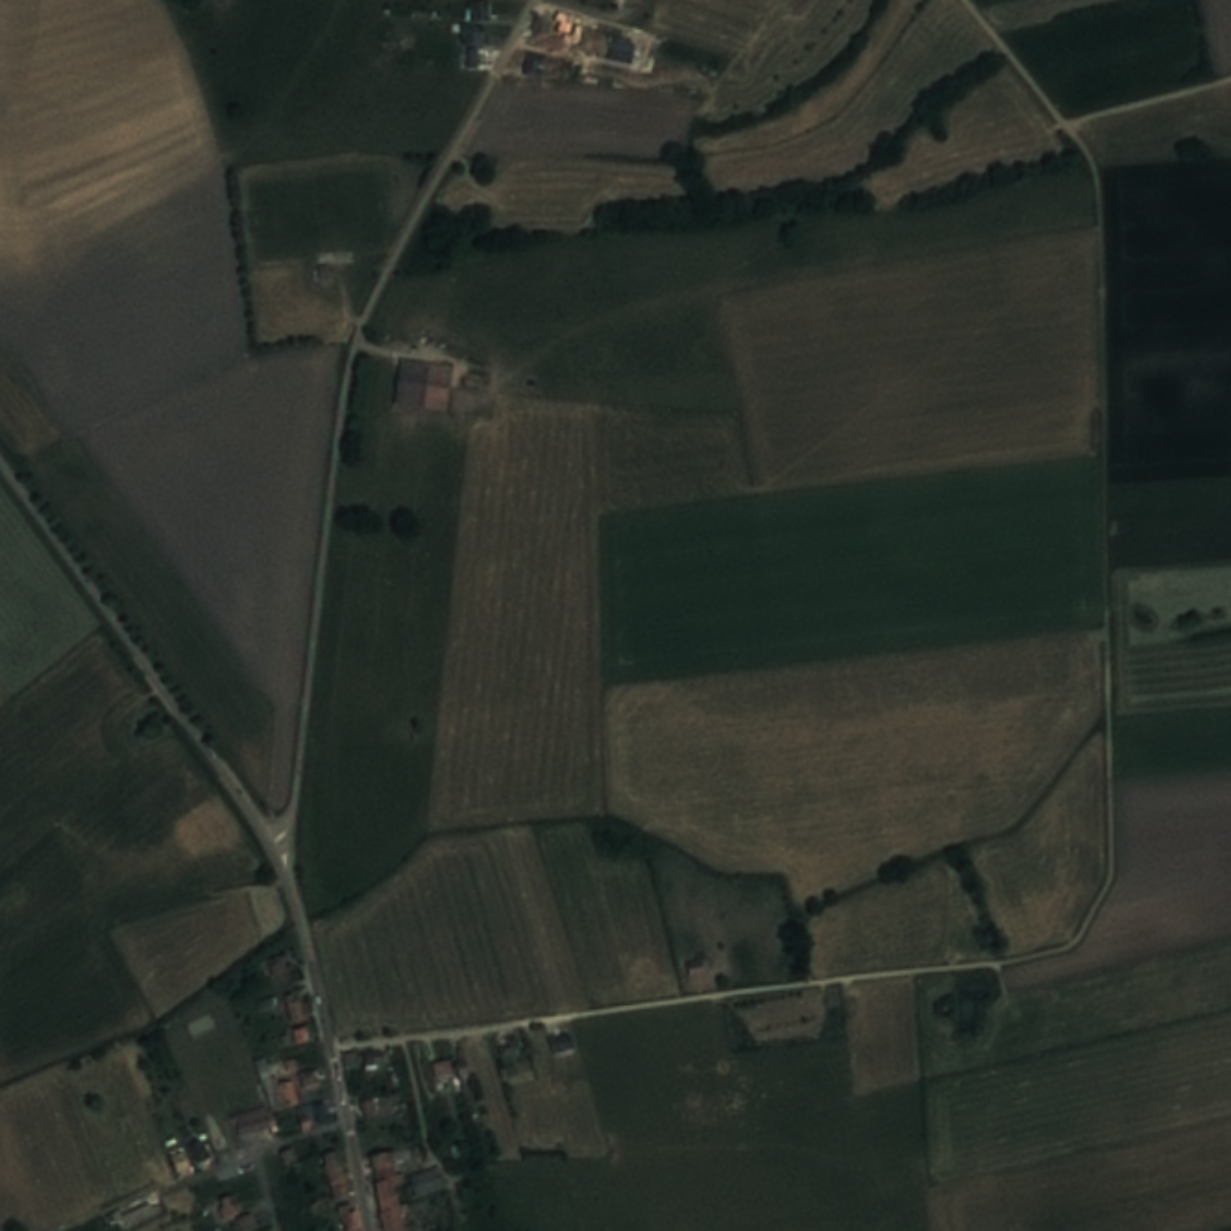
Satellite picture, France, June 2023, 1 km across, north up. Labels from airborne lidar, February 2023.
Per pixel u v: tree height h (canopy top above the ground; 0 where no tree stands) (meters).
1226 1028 0
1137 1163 0
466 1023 0
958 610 0
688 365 0
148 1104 0
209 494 0
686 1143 0
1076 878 0
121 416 0
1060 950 0
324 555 0
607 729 0
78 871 0
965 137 0
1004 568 0
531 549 0
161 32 0
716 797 0
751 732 0
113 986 0
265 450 0
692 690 0
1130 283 0
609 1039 0
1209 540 0
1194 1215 0
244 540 0
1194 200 0
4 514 0
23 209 0
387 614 0
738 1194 0
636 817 0
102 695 0
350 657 0
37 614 0
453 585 0
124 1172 0
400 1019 0
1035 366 0
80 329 0
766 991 0
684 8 0
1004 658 0
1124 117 0
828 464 0
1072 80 0
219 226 0
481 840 0
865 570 0
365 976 0
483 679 0
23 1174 0
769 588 0
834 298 0
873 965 0
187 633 0
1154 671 0
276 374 0
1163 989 0
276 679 0
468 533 0
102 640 0
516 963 0
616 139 0
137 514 0
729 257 0
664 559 0
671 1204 0
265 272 0
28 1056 0
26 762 0
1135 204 0
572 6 0
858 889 0
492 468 0
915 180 0
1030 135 0
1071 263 0
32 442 0
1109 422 0
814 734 0
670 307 0
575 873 0
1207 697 0
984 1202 0
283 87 0
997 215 0
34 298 0
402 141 0
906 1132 0
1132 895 0
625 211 16
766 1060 0
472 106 0
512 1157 0
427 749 0
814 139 0
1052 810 0
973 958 0
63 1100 0
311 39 0
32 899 0
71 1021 0
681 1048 0
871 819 0
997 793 0
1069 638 0
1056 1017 0
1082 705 0
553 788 0
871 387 0
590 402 0
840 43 0
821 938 0
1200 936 0
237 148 0
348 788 0
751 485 0
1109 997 0
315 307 0
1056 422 0
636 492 0
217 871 0
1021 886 0
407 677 0
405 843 0
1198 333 0
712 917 0
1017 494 0
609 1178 0
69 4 0
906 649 0
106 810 0
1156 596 0
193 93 0
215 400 0
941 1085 0
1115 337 0
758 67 0
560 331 0
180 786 0
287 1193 0
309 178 0
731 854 0
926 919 0
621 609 0
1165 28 0
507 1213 0
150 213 0
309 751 0
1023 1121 0
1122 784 0
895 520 0
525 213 0
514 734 0
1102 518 0
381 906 0
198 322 0
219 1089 0
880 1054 0
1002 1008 0
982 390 0
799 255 0
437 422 0
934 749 0
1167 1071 0
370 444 0
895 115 0
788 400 0
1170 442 0
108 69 0
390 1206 0
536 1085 0
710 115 0
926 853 0
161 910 0
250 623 0
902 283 0
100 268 0
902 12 0
